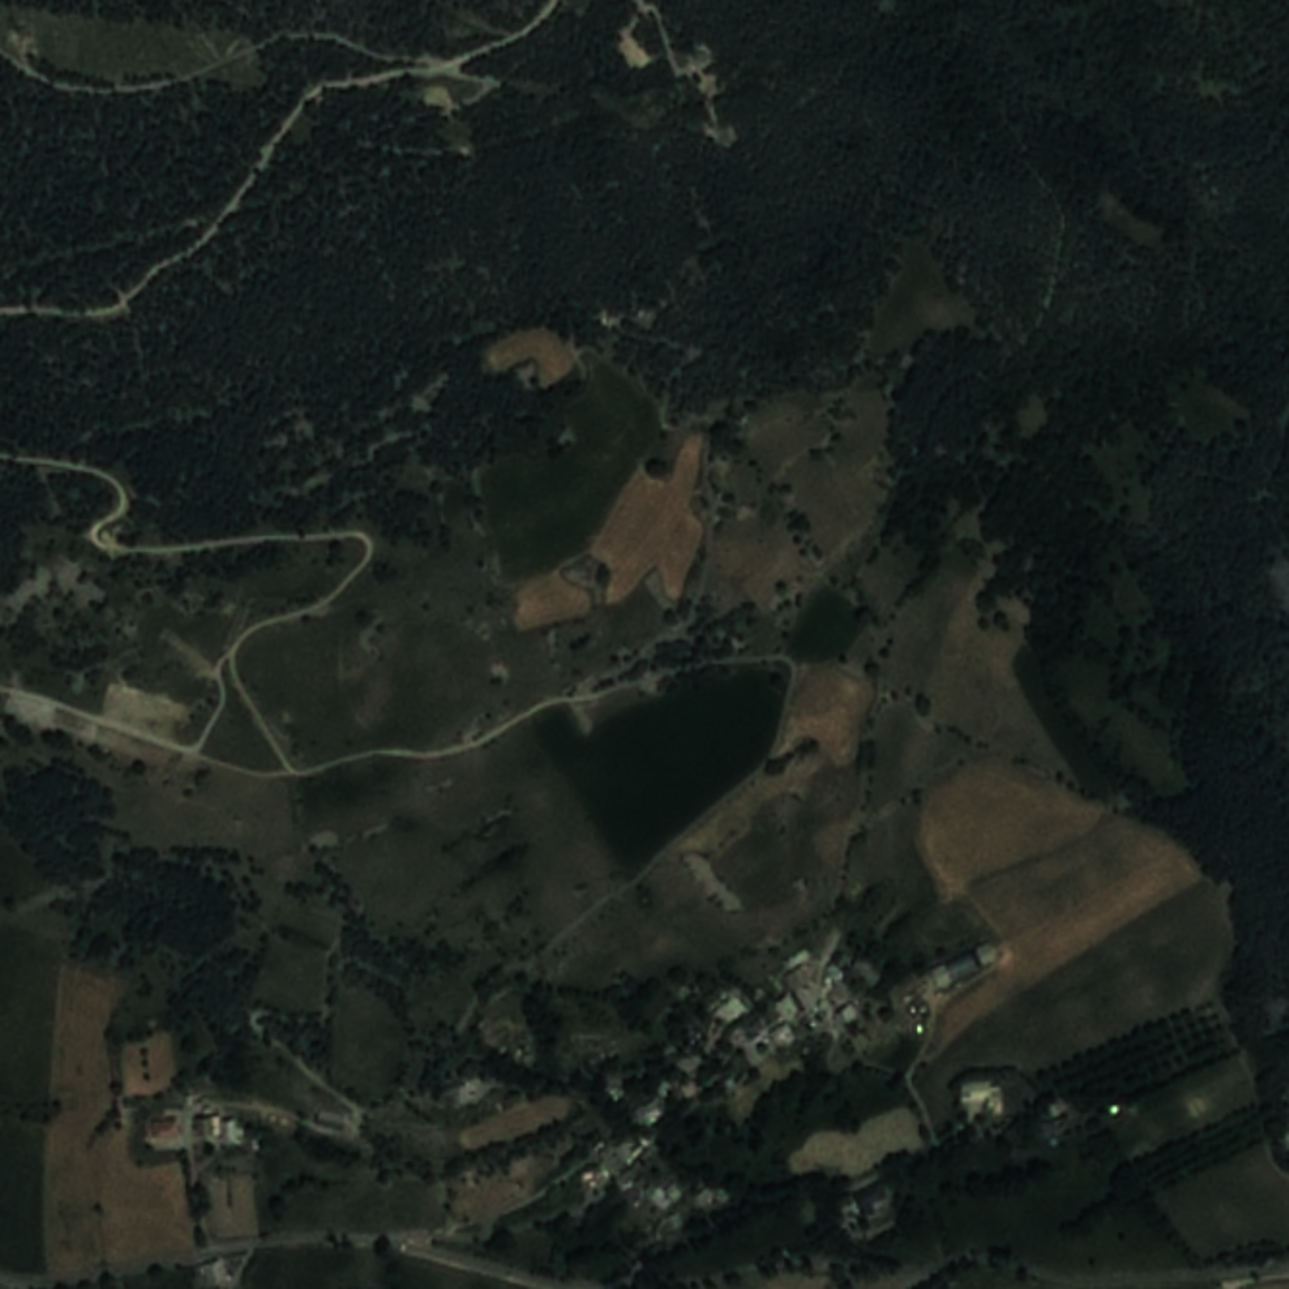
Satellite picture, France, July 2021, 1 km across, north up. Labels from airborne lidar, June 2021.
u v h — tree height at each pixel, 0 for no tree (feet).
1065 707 42
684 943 0
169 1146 0
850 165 24
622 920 0
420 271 25
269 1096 0
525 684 0
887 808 0
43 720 0
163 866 28
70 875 26
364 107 22
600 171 24
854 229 41
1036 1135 50
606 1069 36
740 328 37
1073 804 0
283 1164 0
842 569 0
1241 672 56
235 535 23
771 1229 0
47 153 23
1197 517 47
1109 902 0
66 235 19
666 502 0
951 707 0
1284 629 28
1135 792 35
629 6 22
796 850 0
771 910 0
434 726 0
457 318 27
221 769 0
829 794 0
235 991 20
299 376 30
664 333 21
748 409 21
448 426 26
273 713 0
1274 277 29
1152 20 21
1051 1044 0
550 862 0
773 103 20
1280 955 54
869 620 35
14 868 0
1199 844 46
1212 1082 0
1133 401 38
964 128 44
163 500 22
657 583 0
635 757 0
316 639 0
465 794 0
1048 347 34
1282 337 53
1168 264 27
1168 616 52
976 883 0
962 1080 32
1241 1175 0
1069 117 19
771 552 0
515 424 29
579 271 19
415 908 0
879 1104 0
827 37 33
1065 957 0
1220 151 35
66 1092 0
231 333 35
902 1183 46
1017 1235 0
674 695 25
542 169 27
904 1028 0
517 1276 0
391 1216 0
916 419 64
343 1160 52
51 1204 0
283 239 21
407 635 0
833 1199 50
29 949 0
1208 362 39
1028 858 0
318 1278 0
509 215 20
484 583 0
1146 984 0
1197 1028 30
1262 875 52
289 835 0
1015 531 37
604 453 0
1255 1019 37
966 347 55
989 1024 0
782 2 37
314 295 24
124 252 27
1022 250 27
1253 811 75
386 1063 0
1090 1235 31
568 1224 47
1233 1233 0
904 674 0
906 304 0
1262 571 48
